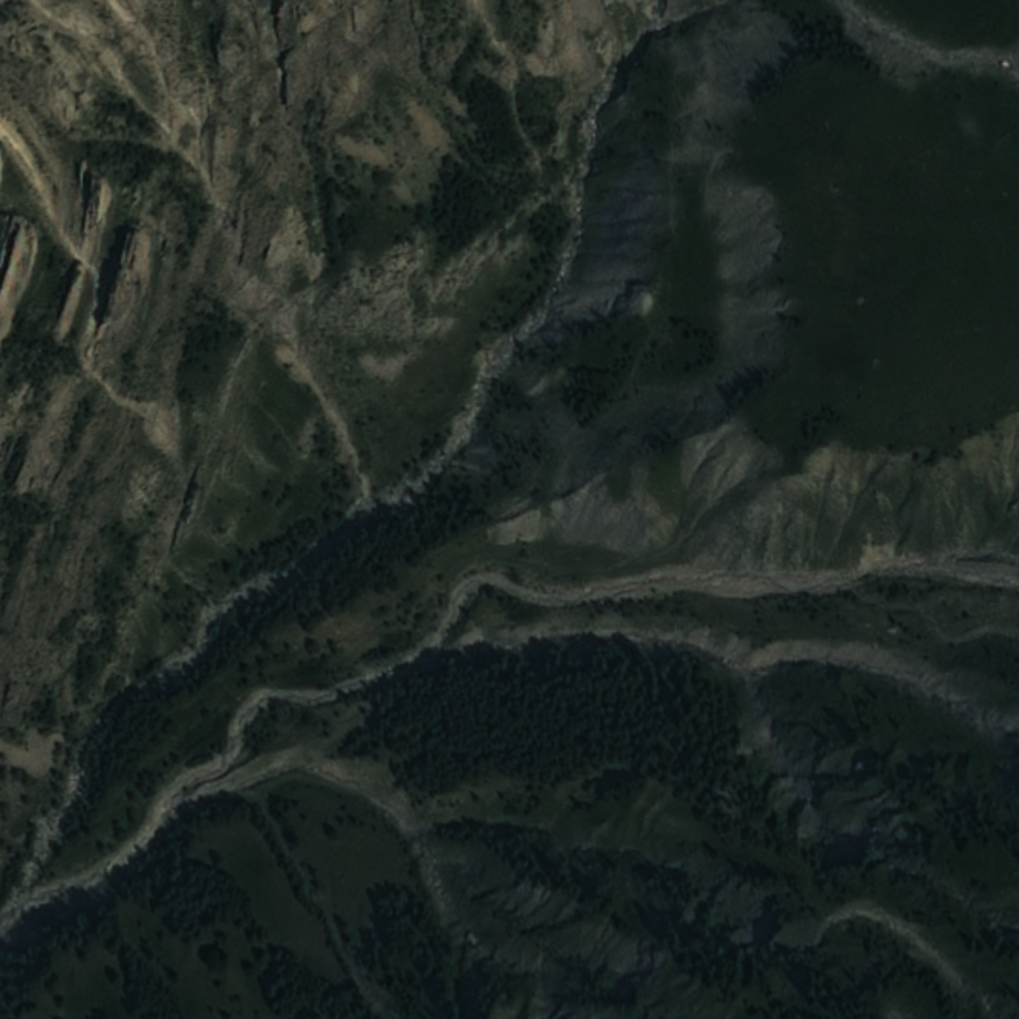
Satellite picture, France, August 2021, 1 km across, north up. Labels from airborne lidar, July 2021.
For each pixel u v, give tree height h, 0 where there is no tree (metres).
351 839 0
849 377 0
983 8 0
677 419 0
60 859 10
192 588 13
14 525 6
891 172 0
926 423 0
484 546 0
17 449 15
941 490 0
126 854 0
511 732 29
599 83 0
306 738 0
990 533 0
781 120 0
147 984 26
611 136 0
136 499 0
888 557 0
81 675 12
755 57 0
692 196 0
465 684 23
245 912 27
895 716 0
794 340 0
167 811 0
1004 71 0
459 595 0
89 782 9
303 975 27
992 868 0
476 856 0
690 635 0
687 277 0
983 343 0
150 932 0
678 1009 0
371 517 10
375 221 0
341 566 34
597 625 0
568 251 0
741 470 0
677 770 19
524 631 0
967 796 0
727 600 0
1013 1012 0
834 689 0
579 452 0
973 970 0
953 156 0
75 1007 0
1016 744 0
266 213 0
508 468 9
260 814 15
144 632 0
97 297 0
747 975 8
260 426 0
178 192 10
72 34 0
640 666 22
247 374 0
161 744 21
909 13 0
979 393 0
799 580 0
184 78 0
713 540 0
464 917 0
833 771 0
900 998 0
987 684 0
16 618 7
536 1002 0
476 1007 11
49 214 0
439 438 14
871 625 0
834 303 0
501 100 19
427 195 0
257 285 0
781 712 0
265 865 0
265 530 0
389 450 0
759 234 0
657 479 0
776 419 0
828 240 0
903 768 0
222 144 0
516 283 0
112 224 0
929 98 0
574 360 0
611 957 0
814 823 0
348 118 0
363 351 0
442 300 0
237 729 0
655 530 0
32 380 7
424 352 0
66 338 10
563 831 0
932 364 0
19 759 0
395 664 0
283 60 0
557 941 0
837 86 0
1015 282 0
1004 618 0
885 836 0
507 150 14
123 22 0
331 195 14
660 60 0
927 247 0
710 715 14
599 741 25
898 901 0
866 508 0
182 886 21
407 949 27
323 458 13
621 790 25
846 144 0
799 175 0
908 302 0
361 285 0
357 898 0
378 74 0
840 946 0
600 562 0
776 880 19
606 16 0
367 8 0
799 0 0
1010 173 0
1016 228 0
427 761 24
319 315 0
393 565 30
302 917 0
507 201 8
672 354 0
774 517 0
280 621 28
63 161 0
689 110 0
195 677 23
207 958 15
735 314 0
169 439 0
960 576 0
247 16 0
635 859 0
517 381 0
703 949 18
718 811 10
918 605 0
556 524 0
